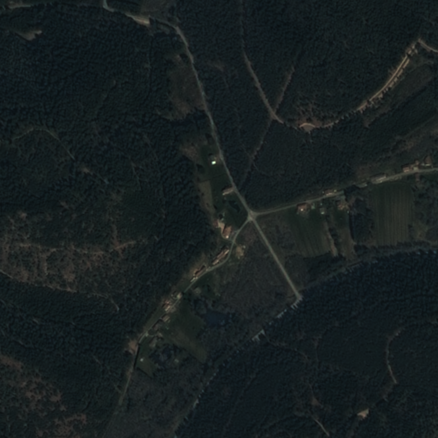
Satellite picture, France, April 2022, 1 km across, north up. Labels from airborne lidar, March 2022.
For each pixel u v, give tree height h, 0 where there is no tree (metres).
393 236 0
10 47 21
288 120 23
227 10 26
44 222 7
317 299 21
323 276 13
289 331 9
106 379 23
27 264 10
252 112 23
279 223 0
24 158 10
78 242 6
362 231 28
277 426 7
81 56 19
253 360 6
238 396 8
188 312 0
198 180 7
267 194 26
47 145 8
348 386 13
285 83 22
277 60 22
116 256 18
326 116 25
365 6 27
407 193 0
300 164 26
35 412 9
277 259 0
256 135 25
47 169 12
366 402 12
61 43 13
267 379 9
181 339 0
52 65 19
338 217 0
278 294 9
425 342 10
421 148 7
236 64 24
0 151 7
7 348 22
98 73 17
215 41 28
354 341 7
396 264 17
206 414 9
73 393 14
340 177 24
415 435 7
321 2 23
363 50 28
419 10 25
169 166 30
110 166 18
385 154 13
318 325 8
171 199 27
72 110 24
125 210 9
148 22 0
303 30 27
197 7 27
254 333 14
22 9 8
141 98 24
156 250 19
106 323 19
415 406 7
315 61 23
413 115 18
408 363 6
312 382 11
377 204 0
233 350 13
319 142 24
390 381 7
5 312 30
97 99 18
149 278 18
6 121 31
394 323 9
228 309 18
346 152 22
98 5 12
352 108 30
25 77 31
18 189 27
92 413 8
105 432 7
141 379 15
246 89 25
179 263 25
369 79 25
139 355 12
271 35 26
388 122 17
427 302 14
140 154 20
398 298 12
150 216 17
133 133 32
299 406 6
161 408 15
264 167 23
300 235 0
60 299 12
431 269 17
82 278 12
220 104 25
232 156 22
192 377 17
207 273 0
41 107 23
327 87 28
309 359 8
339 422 16
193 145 7
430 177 0
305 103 23
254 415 9
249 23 25
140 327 24
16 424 8
